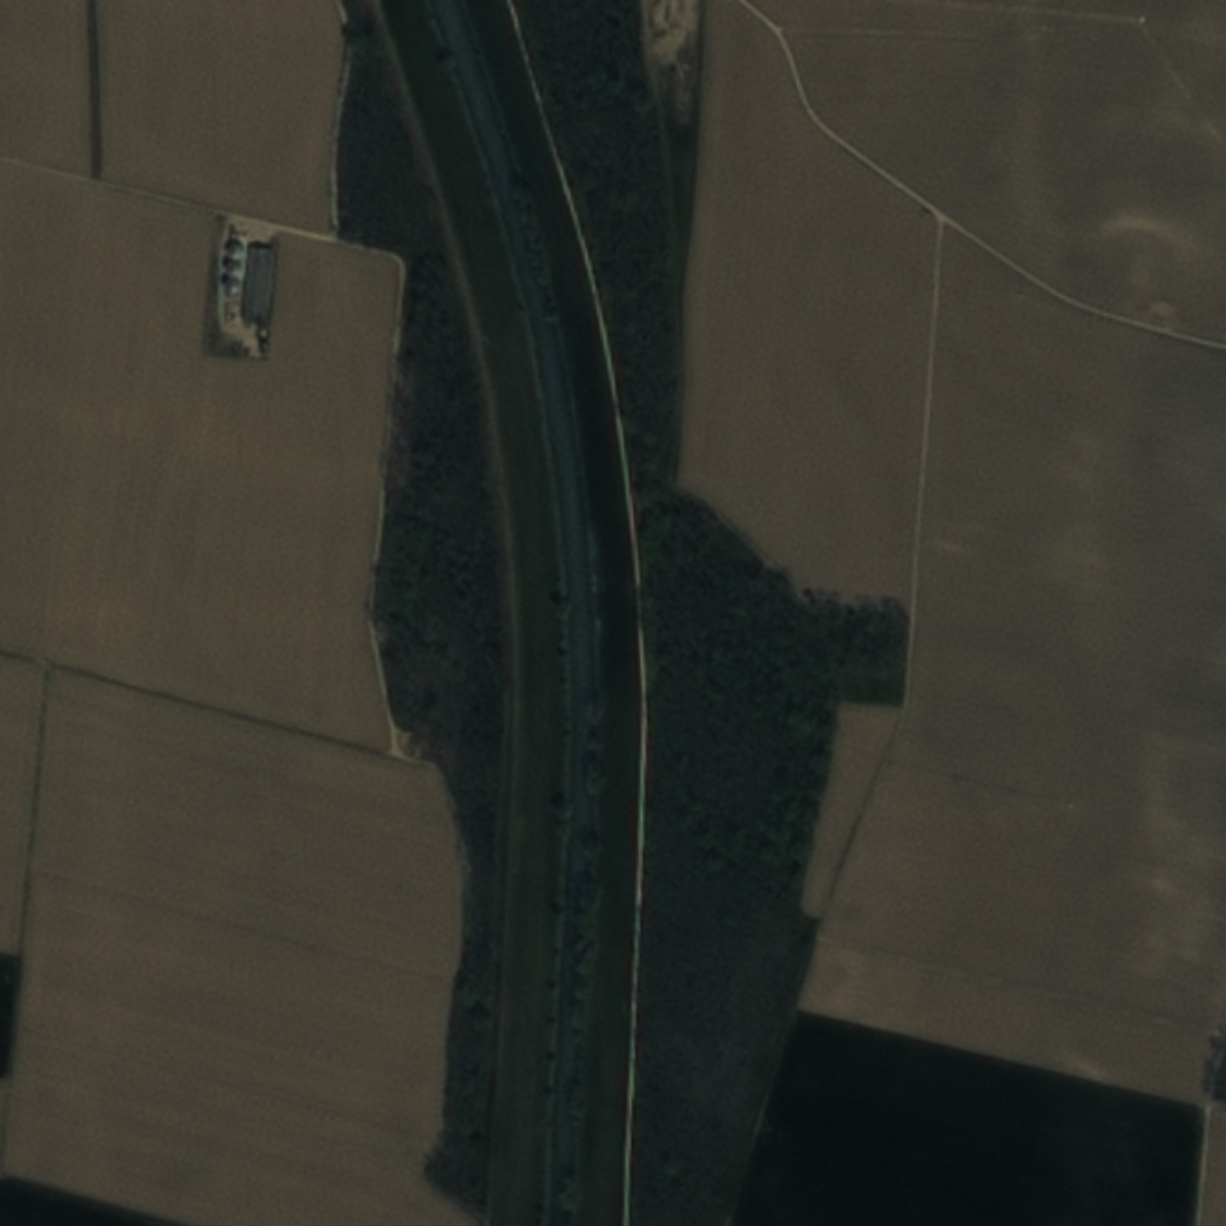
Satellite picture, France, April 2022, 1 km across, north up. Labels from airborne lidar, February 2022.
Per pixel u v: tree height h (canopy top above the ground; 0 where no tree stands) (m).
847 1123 0
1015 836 0
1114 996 0
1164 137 0
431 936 0
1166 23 0
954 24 0
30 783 0
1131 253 0
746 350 0
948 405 0
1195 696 0
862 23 0
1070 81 0
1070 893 0
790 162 0
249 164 0
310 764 0
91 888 0
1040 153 0
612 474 0
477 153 0
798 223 0
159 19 0
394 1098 0
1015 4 0
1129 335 0
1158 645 0
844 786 0
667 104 0
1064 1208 0
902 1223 0
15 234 0
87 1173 0
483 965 15
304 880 0
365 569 0
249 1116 0
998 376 0
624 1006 0
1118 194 0
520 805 0
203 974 0
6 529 0
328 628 0
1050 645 0
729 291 0
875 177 0
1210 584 0
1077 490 0
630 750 0
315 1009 0
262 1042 0
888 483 0
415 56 0
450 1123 15
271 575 0
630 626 0
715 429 0
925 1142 0
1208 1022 0
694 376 0
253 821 0
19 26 0
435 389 17
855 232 0
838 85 0
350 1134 0
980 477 0
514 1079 0
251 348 0
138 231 0
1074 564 0
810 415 0
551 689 0
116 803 0
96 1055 0
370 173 17
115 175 0
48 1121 0
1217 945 0
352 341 0
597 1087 0
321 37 0
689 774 17
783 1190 0
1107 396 0
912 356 0
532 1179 0
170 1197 0
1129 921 0
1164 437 0
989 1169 0
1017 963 0
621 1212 0
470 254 0
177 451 0
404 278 0
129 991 0
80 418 0
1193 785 0
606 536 0
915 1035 0
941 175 0
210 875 0
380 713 0
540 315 0
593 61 16
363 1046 0
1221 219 0
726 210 0
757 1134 0
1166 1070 0
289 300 0
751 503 0
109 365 0
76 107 0
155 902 0
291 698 0
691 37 0
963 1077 0
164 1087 0
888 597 0
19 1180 0
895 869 0
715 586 20
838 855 0
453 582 13
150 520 0
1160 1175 0
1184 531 0
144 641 0
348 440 0
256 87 0
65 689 0
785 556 0
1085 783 0
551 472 0
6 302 0
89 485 0
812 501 0
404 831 0
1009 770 0
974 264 0
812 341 0
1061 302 0
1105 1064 0
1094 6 0
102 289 0
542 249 9
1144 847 0
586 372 0
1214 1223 0
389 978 0
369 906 0
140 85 0
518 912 0
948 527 0
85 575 0
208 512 0
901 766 0
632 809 0
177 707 0
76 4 0
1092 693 0
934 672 0
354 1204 0
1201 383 0
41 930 0
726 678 7
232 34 0
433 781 0
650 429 18
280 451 0
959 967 0
